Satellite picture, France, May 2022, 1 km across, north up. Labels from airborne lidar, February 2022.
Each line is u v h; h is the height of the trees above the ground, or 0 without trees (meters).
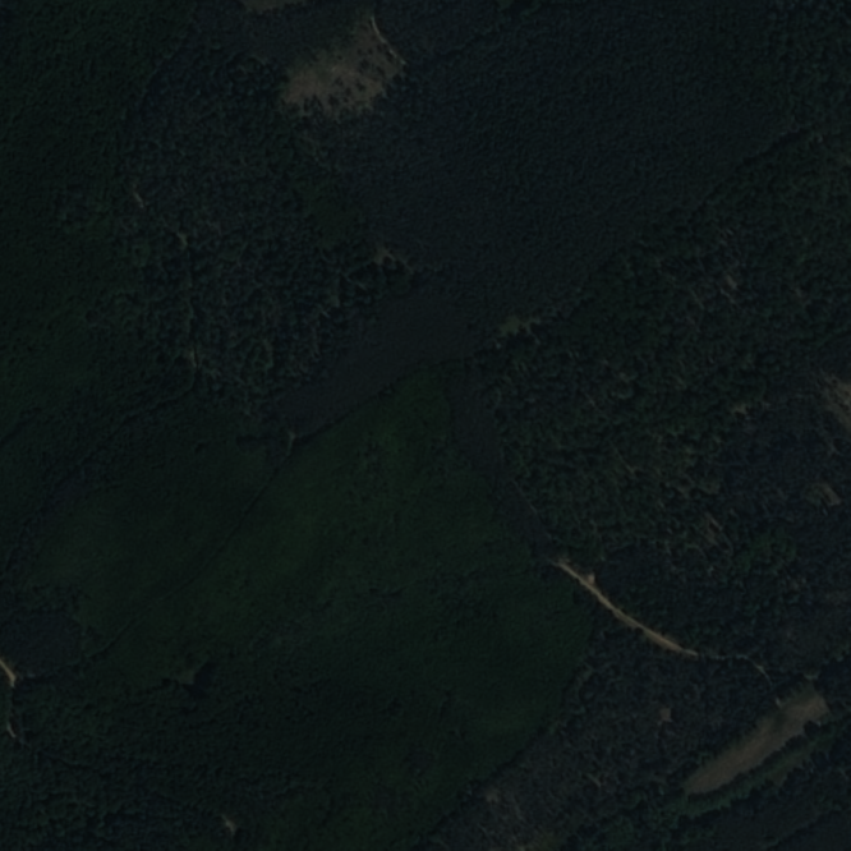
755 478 24
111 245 25
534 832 27
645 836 19
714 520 33
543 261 25
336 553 15
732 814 15
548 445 32
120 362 18
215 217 27
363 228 23
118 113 15
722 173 19
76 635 20
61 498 19
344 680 16
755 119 21
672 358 33
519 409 21
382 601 16
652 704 26
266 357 25
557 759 18
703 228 25
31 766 25
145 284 24
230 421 12
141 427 18
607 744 9
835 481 20
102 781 24
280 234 28
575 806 25
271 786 22
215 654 17
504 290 24
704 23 19
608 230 25
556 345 28
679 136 23
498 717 0
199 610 13
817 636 18
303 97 0
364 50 0
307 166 28
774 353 30
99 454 9
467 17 24
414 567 14
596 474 32
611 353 28
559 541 29
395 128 27
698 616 14
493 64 25
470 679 0
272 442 20
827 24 29
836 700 19
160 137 30
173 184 28
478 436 19
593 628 18
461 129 26
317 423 14
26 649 20
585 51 20
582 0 17
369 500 11
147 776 25
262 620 15
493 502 18
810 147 26
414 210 26
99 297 23
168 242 12
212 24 20
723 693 22
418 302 18
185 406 11
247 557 0
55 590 16
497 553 16
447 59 24
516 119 24
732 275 31
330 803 11
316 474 0
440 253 21
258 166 24
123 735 24
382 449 11
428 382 14
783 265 33
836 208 26
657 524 28
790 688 24
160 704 25
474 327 21
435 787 8
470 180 24
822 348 22
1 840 25
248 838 15
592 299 28
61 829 11
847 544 28
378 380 17
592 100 27
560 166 28
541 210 28
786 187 28
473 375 19
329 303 25
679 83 25
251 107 28
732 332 26
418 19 24
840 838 17
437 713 15
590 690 9
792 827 14
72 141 23
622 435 23
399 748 15
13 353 22
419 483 13
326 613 12
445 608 15
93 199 29
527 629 13
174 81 28
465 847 27
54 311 17
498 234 26
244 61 18
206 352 22
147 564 11
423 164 25
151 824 28
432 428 13
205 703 28
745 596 12
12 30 19
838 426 27
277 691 16
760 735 0
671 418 29
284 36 21
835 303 24
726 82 24
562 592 13
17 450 17
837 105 30
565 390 28
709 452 20
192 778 22
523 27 27
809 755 0
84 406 14
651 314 31
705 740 11
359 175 27
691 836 29
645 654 11
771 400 25
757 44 17
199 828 24
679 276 31
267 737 19
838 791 26
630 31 27
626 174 21
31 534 13
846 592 17
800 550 22
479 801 25
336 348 11
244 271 32
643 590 13
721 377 32
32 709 23
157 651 13
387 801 14
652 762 10
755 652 14
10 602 16
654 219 18
